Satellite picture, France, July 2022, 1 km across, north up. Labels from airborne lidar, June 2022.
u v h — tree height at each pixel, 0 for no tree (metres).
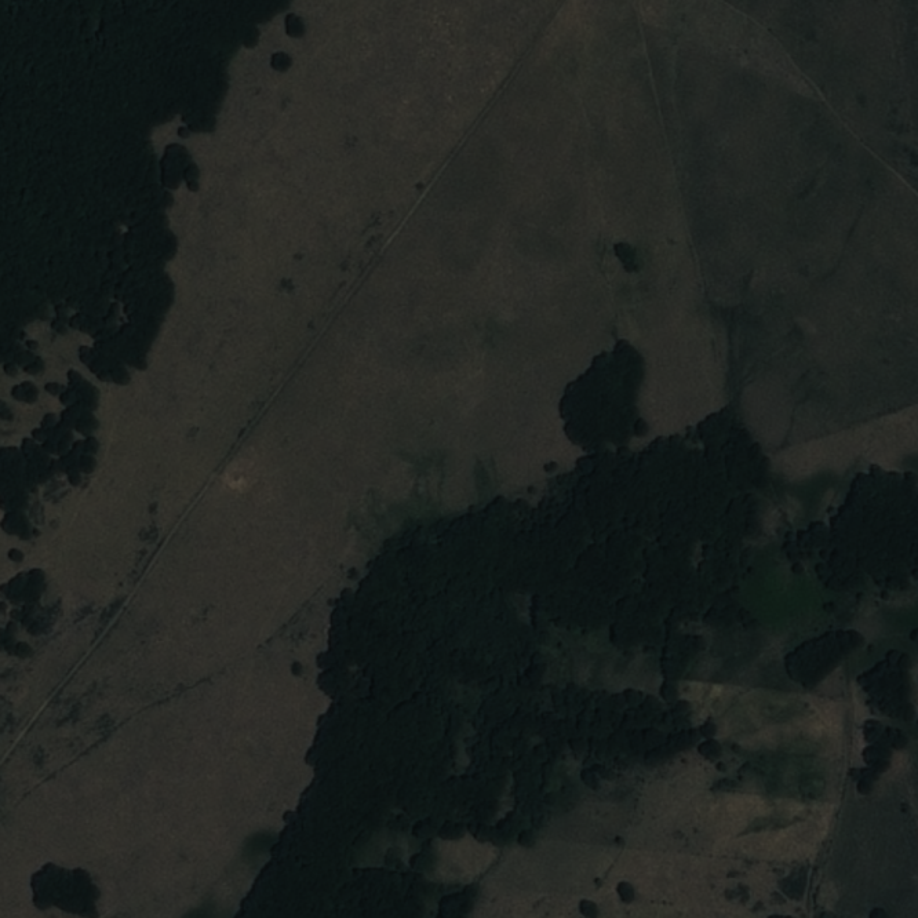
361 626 15
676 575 15
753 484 15
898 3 0
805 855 0
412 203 0
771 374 0
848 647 16
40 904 19
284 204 0
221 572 0
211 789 0
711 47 0
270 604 0
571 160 0
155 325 13
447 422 0
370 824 21
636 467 17
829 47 0
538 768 7
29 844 0
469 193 0
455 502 0
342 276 0
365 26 0
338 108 0
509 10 0
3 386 0
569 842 0
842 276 0
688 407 0
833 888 0
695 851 0
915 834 0
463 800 21
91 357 14
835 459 0
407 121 0
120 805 0
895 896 0
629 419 17
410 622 12
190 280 0
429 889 14
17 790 0
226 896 0
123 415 0
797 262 0
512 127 0
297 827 18
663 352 0
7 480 16
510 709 8
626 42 0
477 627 9
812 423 0
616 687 0
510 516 7
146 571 0
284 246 0
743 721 0
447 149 0
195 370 0
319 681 6
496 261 0
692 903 0
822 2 0
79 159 11
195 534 0
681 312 0
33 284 14
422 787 22
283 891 21
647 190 0
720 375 0
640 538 16
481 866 0
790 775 0
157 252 14
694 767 0
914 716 15
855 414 0
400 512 0
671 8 0
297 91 0
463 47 0
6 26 15
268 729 0
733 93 0
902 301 0
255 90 0
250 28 12
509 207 0
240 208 0
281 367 0
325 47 0
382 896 20
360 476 0
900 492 18
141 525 0
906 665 15
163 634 0
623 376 17
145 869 0
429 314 0
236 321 0
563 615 24
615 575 16
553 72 0
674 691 15
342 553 0
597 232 0
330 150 0
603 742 19
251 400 0
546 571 19
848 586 17
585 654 0
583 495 15
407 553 16
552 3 0
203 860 0
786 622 0
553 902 0
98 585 0
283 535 0
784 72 0
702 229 0
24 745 0
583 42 0
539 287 0
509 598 10
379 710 22
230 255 0
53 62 16
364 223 0
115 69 12
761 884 0
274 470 0
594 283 0
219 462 0
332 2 0
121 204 13
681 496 17
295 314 0
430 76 0
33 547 0
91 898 17
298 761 0
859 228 0
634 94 0
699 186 0
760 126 0
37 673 0
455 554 19
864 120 0
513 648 10
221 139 0
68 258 13
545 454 0
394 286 0
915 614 0
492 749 12
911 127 0
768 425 0
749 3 0
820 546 17
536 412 0
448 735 11
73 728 0
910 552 17
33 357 9
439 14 0
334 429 0
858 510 20
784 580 0
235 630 0
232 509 0
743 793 0
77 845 0
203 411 0
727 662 0
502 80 0
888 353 0
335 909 17
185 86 13
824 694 0
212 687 0
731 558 11
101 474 0
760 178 0
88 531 0
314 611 0
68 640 0
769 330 0
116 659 0
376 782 20
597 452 16
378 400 0
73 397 12
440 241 0
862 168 0
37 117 16
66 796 0
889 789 0
